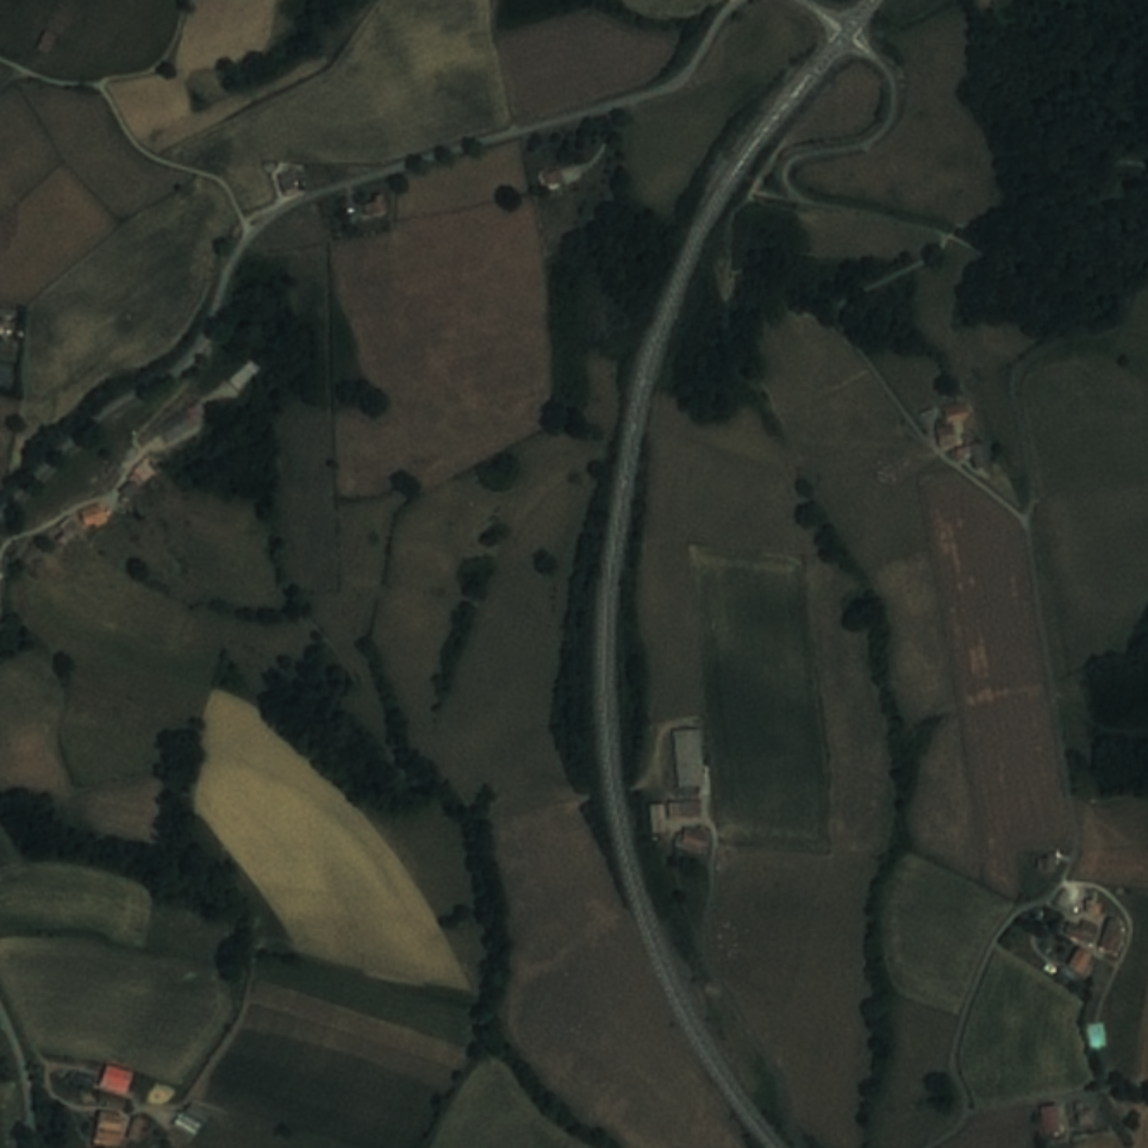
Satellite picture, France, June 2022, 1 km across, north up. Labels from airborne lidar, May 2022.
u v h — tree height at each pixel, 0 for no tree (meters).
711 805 0
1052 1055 0
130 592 0
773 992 0
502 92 0
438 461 0
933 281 0
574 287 8
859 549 0
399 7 0
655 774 0
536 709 0
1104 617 0
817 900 0
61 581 0
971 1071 0
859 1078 0
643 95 0
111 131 0
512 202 20
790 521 0
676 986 0
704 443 0
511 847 0
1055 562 0
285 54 9
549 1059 0
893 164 0
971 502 0
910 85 0
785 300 12
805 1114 0
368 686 0
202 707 0
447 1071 0
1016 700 0
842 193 0
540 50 0
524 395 0
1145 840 0
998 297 19
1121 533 0
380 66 0
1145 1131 0
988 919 0
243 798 0
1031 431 0
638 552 7
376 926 0
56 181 0
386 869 0
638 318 11
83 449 25
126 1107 9
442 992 0
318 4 13
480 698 0
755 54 0
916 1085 0
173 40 0
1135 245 27
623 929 0
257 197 0
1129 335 0
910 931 0
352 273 0
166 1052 0
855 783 0
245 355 7
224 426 12
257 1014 0
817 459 0
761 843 0
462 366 0
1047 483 0
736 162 0
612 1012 0
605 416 0
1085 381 0
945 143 0
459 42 0
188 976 0
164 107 0
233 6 0
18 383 6
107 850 19
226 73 20
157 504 0
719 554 0
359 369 0
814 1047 0
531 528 0
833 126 0
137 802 0
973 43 8
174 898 11
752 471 0
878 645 6
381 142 0
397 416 0
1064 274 19
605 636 0
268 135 0
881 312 9
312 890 0
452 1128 0
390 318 0
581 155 7
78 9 0
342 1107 0
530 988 0
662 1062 0
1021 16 11
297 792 0
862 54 0
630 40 0
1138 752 19
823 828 0
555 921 0
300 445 0
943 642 0
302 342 22
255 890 0
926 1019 0
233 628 0
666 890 0
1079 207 23
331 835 0
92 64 0
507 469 14
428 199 0
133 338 0
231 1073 0
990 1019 0
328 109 0
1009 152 16
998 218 15
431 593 0
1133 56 21
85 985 0
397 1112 0
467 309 0
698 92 0
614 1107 0
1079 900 0
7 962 0
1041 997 0
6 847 0
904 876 0
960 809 0
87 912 0
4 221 0
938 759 0
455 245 0
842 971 0
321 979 0
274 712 19
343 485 0
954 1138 0
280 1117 0
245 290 11
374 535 0
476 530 0
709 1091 0
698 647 0
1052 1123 0
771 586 0
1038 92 10
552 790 0
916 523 0
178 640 0
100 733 0
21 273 0
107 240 0
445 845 0
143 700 0
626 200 14
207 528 0
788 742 0
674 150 0
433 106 0
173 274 0
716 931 0
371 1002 0
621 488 0
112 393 15
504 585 0
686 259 0
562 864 0
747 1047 0
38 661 0
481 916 19
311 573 0
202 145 0
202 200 0
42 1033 0
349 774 18
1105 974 0
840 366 0
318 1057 0
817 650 0
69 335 0
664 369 0
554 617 0
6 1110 0
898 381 0
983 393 0
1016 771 0
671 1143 0
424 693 0
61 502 0
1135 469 0
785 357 0
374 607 0
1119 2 9
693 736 0
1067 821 0
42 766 0
